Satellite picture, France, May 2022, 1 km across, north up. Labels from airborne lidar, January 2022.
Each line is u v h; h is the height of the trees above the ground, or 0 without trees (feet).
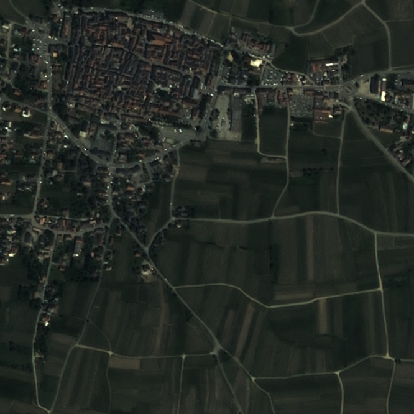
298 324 0
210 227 0
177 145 0
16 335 0
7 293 0
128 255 0
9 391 0
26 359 0
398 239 0
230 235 0
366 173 0
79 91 0
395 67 0
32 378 0
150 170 0
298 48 0
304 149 0
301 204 0
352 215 0
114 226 0
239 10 0
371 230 0
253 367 0
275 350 0
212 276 0
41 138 0
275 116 0
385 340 0
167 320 0
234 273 0
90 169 45
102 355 0
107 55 0
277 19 0
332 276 0
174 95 0
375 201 0
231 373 0
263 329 0
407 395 0
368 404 0
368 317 0
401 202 0
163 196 0
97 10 0
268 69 0
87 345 0
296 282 0
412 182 0
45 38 0
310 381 0
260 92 0
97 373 0
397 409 0
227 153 0
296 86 0
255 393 0
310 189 0
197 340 0
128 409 0
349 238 0
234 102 0
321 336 0
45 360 0
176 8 0
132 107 0
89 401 0
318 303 0
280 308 0
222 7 0
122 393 0
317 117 0
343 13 0
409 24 0
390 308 0
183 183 0
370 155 0
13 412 0
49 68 0
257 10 0
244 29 0
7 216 0
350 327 0
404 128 0
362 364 0
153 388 0
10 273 0
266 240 0
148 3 0
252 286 0
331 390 0
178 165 0
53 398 0
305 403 0
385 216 0
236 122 0
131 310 0
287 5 0
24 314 0
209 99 0
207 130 0
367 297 0
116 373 0
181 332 0
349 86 0
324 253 0
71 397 0
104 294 0
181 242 0
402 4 0
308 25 0
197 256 0
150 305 0
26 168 0
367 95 0
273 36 0
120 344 0
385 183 0
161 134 0
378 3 0
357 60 0
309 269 0
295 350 0
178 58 0
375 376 0
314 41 0
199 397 0
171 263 0
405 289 0
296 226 0
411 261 0
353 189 0
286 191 0
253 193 0
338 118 42
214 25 0
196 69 0
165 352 0
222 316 0
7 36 0
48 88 0
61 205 0
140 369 0
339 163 0
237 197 0
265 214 0
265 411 0
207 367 0
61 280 0
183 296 0
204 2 0
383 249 0
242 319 0
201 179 0
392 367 0
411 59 0
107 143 0
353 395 0
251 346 0
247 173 0
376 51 0
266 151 0
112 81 0
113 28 0
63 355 0
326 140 0
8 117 0
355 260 0
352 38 0
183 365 0
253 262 0
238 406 0
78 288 0
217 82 0
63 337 0
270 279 0
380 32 0
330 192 0
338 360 0
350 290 0
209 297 0
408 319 0
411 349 0
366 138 0
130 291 0
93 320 0
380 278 0
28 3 0
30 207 0
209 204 0
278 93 0
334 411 0
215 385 0
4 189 0
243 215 0
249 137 0
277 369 0
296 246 0
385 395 0
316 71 0
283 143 0
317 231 0
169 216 0
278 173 0
